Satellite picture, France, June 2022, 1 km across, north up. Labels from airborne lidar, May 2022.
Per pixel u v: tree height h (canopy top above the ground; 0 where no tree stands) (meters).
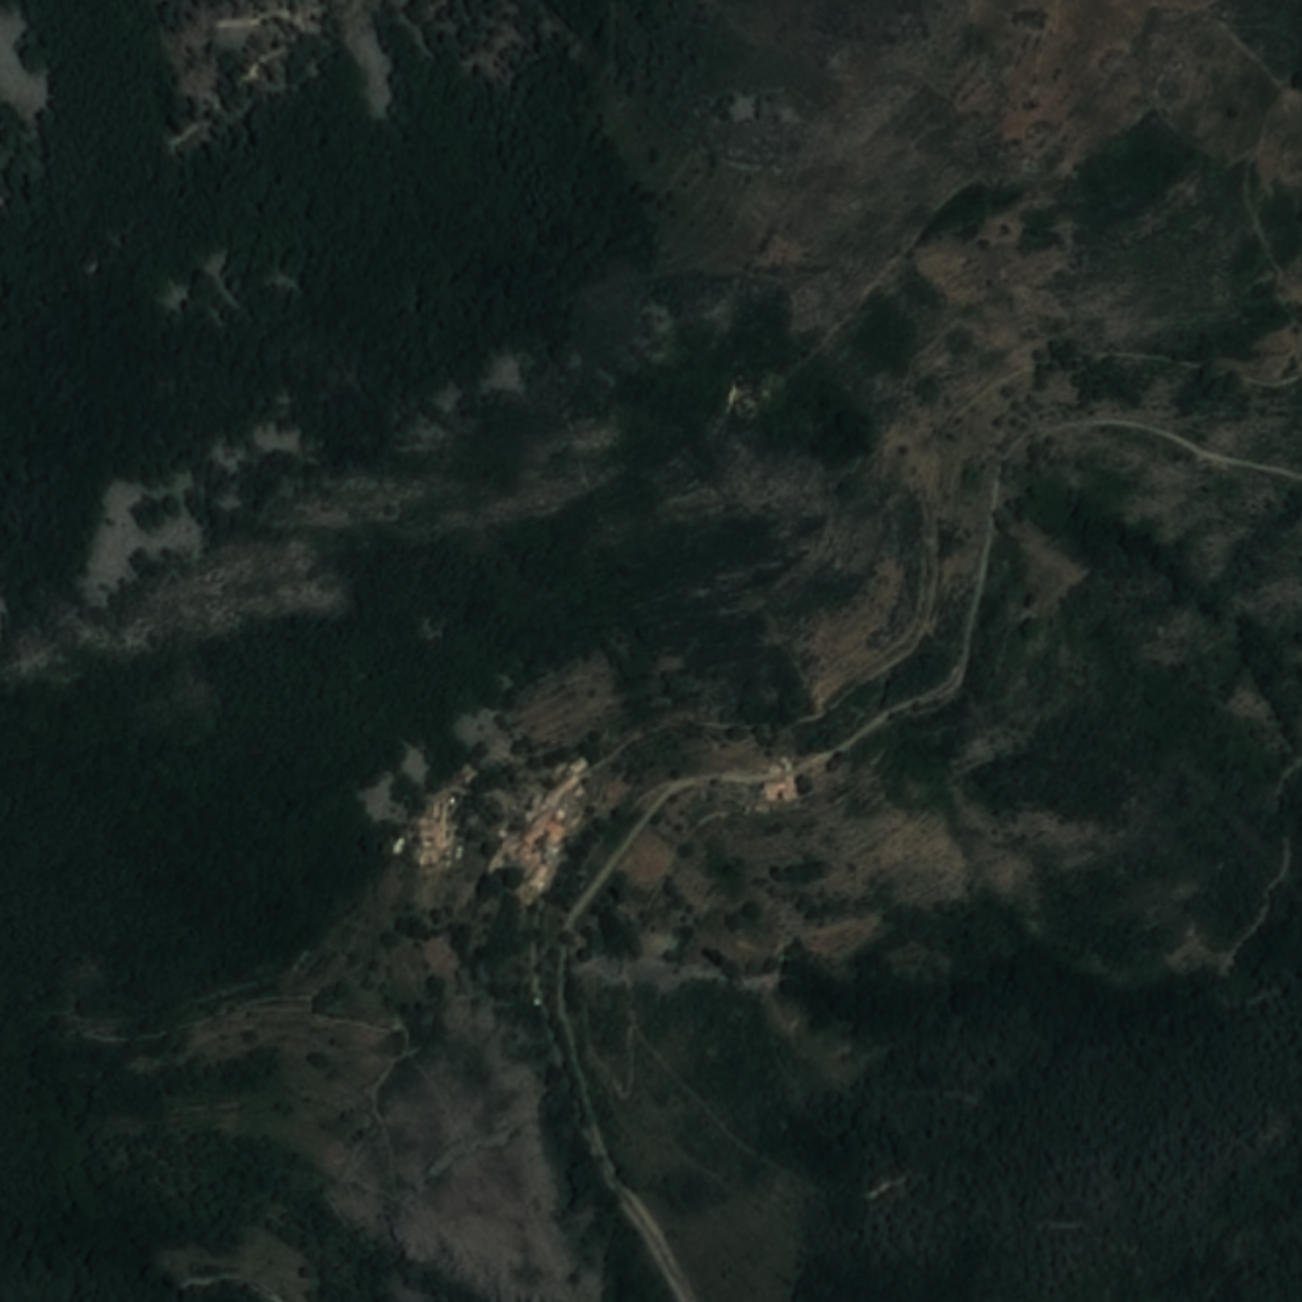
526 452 0
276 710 15
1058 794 10
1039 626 17
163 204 21
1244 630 14
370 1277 9
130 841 17
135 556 8
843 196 0
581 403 6
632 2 7
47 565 8
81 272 11
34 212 16
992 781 13
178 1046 9
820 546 0
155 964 7
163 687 8
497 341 10
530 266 10
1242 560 8
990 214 0
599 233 12
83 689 10
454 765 13
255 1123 0
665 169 0
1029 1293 8
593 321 0
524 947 9
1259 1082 16
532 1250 0
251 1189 7
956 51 0
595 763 13
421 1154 0
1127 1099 14
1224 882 10
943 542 7
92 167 19
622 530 0
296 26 12
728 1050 7
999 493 0
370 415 10
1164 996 15
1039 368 6
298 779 15
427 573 11
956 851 0
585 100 9
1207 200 0
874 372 0
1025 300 0
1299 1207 15
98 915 18
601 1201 14
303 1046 0
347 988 7
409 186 20
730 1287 0
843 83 0
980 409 0
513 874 14
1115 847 0
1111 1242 8
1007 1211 12
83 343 12
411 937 10
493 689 10
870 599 0
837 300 0
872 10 0
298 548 0
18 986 19
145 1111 13
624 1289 8
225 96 11
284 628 12
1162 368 0
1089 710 11
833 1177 10
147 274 16
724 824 0
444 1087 0
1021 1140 13
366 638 15
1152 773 6
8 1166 15
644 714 7
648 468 0
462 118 15
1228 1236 11
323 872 10
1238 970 10
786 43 0
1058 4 0
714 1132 6
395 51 10
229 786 14
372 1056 0
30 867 14
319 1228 11
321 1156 0
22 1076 21
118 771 10
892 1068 12
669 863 0
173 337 13
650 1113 0
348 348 8
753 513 0
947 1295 9
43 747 11
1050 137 0
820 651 0
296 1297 0
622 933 12
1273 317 7
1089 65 0
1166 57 0
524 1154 0
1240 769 7
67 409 10
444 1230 0
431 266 22
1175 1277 8
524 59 10
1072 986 21
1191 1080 16
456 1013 0
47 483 10
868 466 0
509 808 0
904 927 12
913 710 8
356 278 17
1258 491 8
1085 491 7
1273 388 0
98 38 20
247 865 12
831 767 11
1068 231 0
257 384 8
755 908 13
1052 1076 19
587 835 8
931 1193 9
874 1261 9
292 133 20
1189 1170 17
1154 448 7
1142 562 7
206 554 7
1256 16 0
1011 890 0
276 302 12
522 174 12
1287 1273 13
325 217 19
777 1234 0
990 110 0
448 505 0
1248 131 0
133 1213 17
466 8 7
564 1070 8
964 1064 9
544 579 11
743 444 0
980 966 13
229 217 18
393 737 13
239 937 10
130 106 20
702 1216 0
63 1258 23
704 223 0
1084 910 9
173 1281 10
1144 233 0
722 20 0
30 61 15
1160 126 0
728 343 5
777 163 0
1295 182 0
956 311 0
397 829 12
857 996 13
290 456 8
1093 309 0
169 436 8
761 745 9
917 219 0
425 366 11
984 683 7
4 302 13
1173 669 7
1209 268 0
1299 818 20
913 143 0
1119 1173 12
